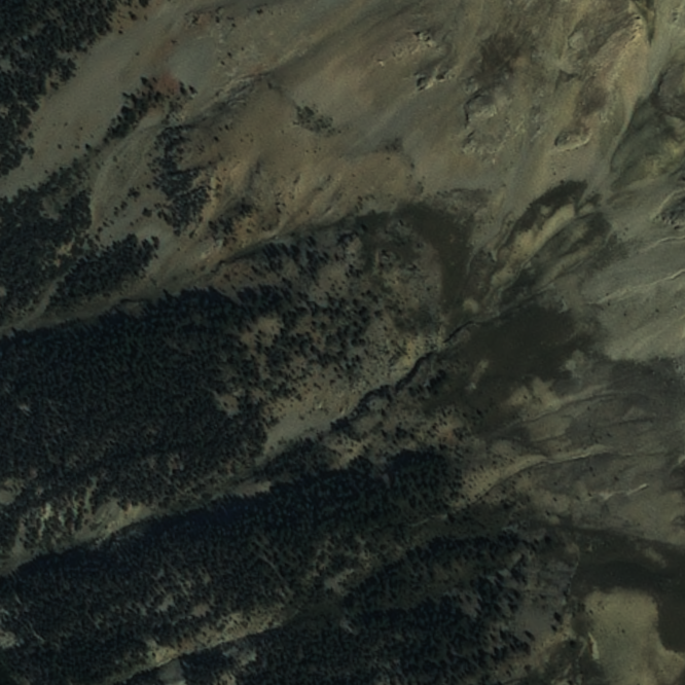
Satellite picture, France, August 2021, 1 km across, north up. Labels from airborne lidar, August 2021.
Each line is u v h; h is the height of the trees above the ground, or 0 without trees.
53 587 14
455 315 0
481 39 0
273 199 0
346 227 0
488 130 0
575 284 0
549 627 0
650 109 0
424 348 0
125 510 7
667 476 0
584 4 0
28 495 11
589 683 0
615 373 0
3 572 0
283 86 0
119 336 17
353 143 0
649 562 0
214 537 16
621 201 0
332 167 0
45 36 10
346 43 0
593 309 0
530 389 0
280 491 9
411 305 0
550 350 0
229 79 0
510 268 0
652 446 0
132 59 0
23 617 8
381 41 0
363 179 0
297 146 0
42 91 13
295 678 13
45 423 15
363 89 0
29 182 0
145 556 14
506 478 0
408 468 23
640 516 0
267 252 0
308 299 9
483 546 16
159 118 0
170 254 0
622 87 0
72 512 7
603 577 0
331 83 0
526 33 0
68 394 9
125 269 11
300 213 0
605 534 0
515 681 0
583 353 0
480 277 0
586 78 0
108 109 0
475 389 0
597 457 0
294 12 0
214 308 23
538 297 0
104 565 13
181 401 15
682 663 0
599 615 0
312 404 0
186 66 0
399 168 0
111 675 8
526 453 0
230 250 0
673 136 0
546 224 0
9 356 13
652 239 0
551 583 0
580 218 0
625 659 0
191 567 10
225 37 0
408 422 0
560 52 0
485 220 0
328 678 12
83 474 7
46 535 11
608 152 0
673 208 0
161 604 6
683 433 0
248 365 12
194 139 0
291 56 0
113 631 13
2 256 10
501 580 10
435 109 0
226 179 0
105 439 13
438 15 0
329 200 0
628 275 0
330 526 17
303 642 8
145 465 7
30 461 10
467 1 0
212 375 7
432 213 0
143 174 0
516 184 0
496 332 0
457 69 0
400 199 0
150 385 15
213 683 8
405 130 0
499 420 0
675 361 0
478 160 0
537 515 0
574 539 0
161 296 0
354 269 8
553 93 0
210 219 0
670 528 0
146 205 0
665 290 0
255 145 0
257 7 0
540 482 0
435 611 20
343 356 11
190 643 0
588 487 0
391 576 16
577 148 0
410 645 18
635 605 0
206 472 10
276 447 0
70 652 23
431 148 0
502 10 0
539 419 0
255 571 11
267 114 0
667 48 0
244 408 11
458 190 0
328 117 0
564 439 0
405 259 0
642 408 0
